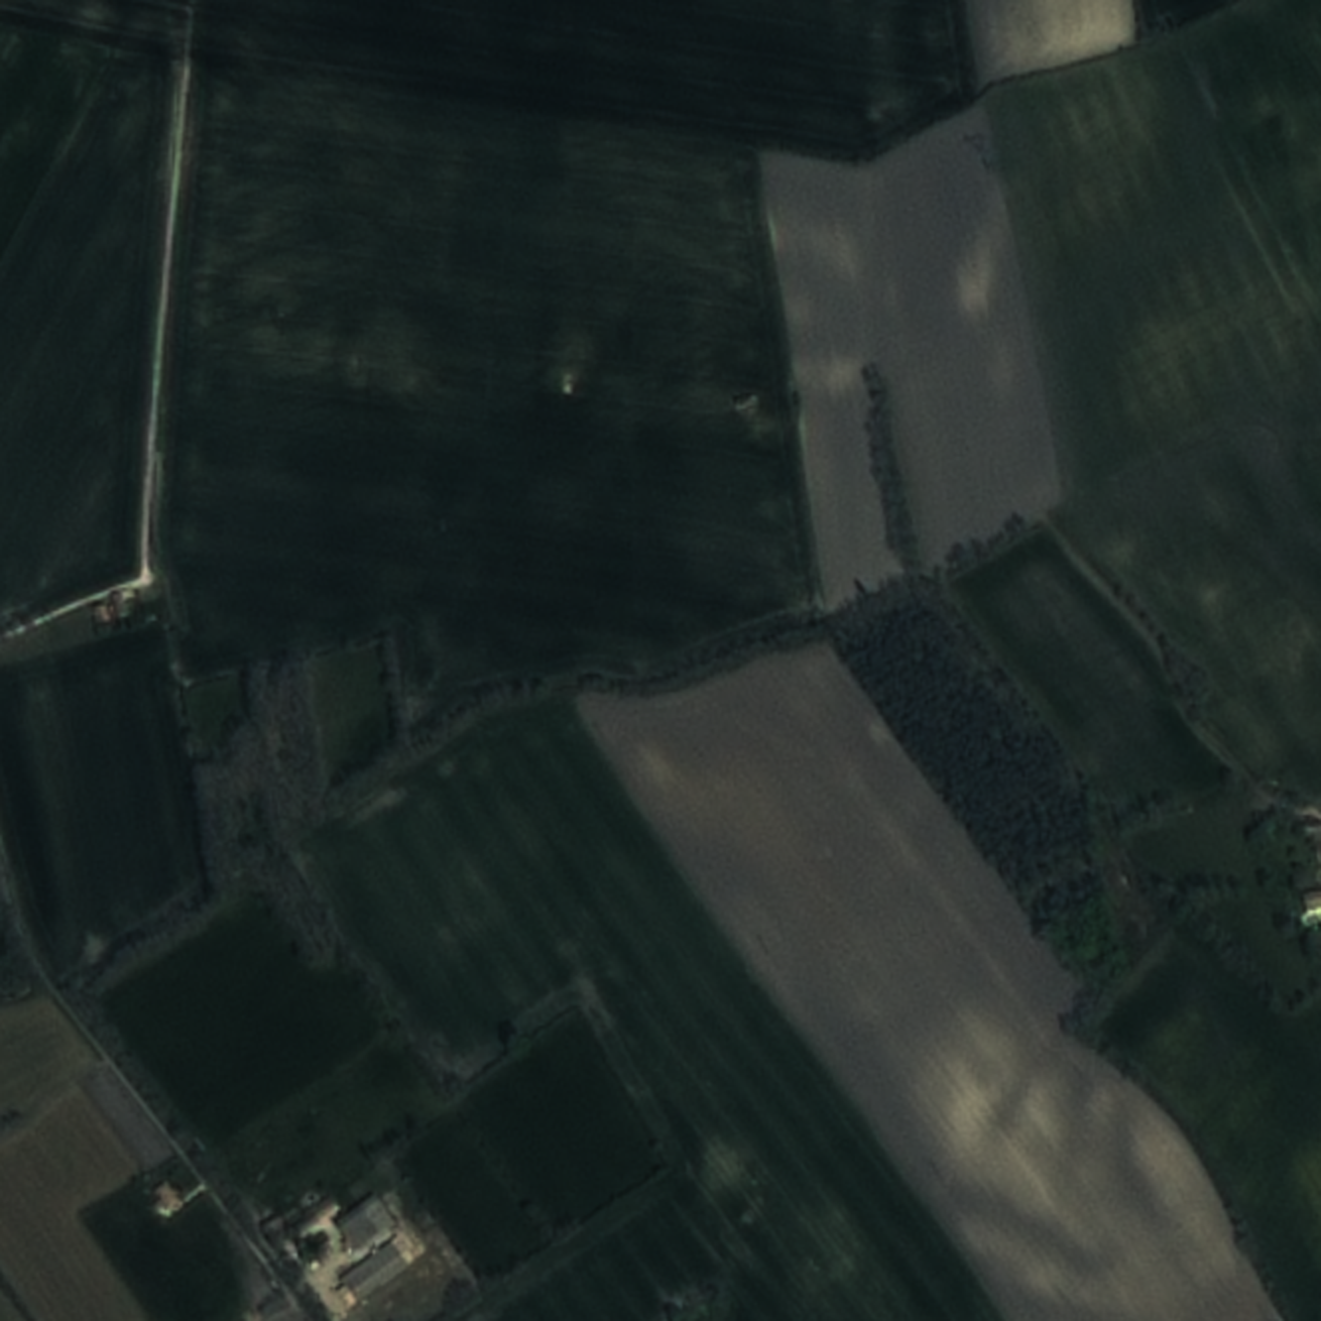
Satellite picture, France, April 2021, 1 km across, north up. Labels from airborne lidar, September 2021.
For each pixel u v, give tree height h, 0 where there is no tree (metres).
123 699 0
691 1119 0
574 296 0
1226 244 0
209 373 0
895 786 0
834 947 0
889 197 0
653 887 0
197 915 15
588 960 0
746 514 0
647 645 0
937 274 0
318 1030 0
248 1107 0
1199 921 17
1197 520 0
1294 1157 0
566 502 0
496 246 0
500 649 0
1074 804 15
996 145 0
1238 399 0
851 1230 0
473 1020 0
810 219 0
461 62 0
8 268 0
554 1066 0
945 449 0
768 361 0
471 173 0
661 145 0
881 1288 0
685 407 0
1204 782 0
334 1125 0
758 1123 0
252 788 19
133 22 0
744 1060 0
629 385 0
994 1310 0
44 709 0
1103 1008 18
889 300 0
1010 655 0
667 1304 0
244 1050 0
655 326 0
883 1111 0
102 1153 0
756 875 0
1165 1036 0
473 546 0
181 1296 0
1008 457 0
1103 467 0
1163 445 0
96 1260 0
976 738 23
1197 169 0
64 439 0
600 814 0
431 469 0
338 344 0
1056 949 19
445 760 0
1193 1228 0
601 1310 0
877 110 0
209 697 0
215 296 0
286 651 0
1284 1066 0
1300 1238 0
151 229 0
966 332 0
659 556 0
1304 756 0
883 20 0
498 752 0
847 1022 0
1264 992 14
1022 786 23
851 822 0
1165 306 0
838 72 0
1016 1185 0
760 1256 0
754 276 0
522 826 0
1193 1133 0
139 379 0
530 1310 0
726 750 0
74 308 0
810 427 0
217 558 0
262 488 0
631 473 0
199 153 0
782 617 0
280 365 0
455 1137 0
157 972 0
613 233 0
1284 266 0
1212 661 0
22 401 0
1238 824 0
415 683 0
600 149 0
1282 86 0
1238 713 0
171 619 0
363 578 0
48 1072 0
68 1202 0
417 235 0
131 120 0
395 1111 0
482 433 0
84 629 0
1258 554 0
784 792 0
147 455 0
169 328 0
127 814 0
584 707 0
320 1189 8
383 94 0
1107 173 0
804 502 0
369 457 0
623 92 0
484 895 0
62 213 0
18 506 0
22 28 0
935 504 0
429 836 0
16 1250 0
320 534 0
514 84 0
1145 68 0
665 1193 0
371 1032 0
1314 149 0
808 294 0
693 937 0
